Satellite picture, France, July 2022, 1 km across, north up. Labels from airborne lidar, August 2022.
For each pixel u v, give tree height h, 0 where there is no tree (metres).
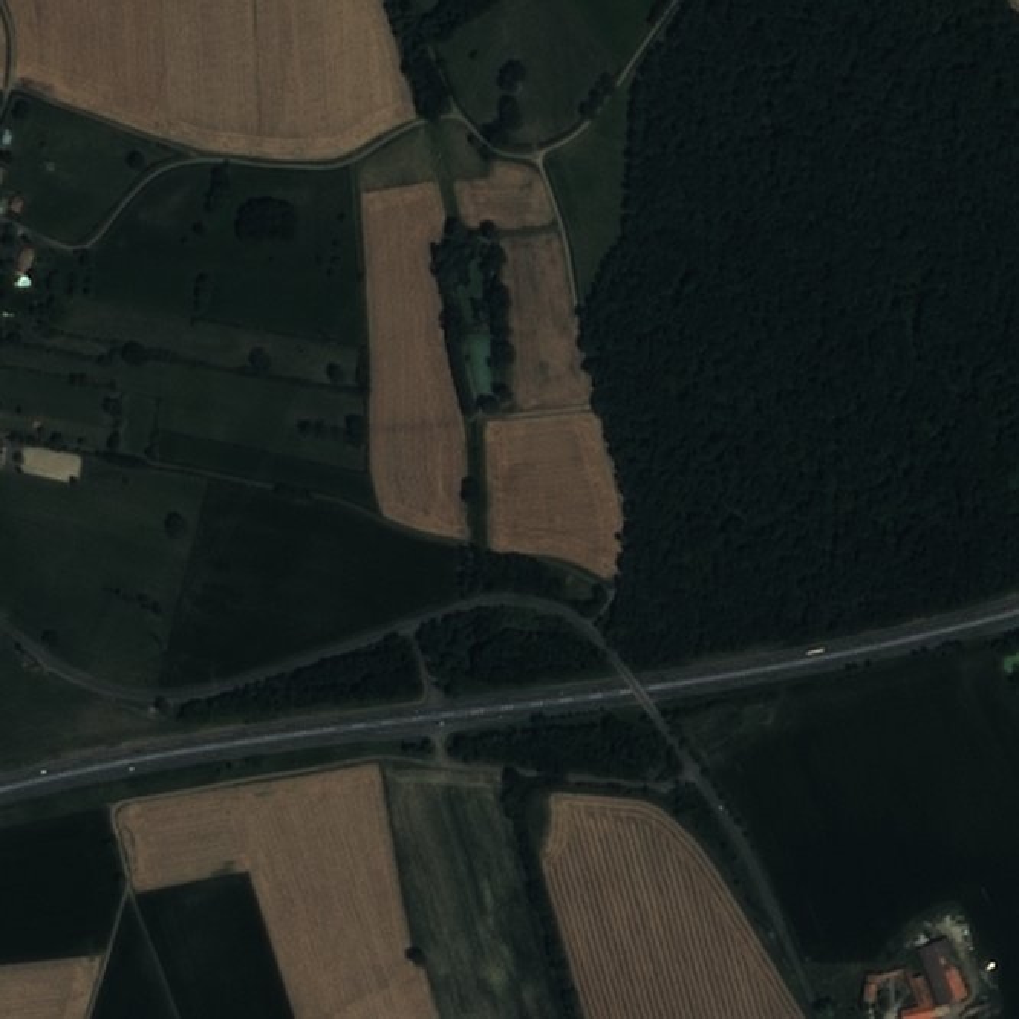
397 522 0
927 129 16
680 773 13
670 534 16
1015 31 18
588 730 9
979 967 0
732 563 20
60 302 10
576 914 0
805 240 20
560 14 0
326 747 0
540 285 0
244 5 0
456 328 27
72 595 0
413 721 0
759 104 19
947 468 24
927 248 18
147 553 0
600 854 0
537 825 0
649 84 18
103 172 0
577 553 0
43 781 0
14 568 0
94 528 0
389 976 0
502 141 23
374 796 0
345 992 0
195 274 0
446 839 0
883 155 18
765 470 22
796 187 18
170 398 0
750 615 18
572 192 0
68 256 0
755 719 0
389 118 0
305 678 15
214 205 12
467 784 0
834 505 13
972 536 16
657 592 17
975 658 0
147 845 0
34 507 0
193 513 0
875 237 20
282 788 0
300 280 0
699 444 18
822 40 15
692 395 16
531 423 0
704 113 20
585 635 0
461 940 0
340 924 0
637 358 19
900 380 19
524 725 0
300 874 0
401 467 0
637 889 0
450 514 0
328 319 0
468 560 17
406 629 0
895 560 16
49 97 0
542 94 0
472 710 0
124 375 0
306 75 0
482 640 13
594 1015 0
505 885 0
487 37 0
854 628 17
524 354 0
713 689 0
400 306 0
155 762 0
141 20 0
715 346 20
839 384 19
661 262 22
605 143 0
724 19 20
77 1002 0
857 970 0
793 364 18
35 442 11
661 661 12
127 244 0
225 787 0
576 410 0
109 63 0
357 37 0
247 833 0
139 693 0
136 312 0
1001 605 0
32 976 0
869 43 21
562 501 0
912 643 0
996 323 15
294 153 0
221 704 14
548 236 0
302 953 0
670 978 0
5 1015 0
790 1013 0
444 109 18
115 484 0
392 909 0
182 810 0
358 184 0
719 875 0
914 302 9
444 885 0
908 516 8
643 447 20
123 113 0
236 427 0
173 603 0
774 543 20
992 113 16
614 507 0
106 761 0
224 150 0
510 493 0
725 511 19
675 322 20
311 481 0
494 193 0
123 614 0
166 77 0
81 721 0
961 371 19
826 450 20
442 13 13
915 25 19
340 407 0
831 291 20
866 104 17
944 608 18
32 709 0
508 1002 0
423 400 0
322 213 0
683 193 20
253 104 0
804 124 19
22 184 0
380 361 0
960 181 21
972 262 15
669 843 0
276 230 15
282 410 0
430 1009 0
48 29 0
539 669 10
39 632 0
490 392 0
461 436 0
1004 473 21
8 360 0
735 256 21
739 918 0
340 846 0
